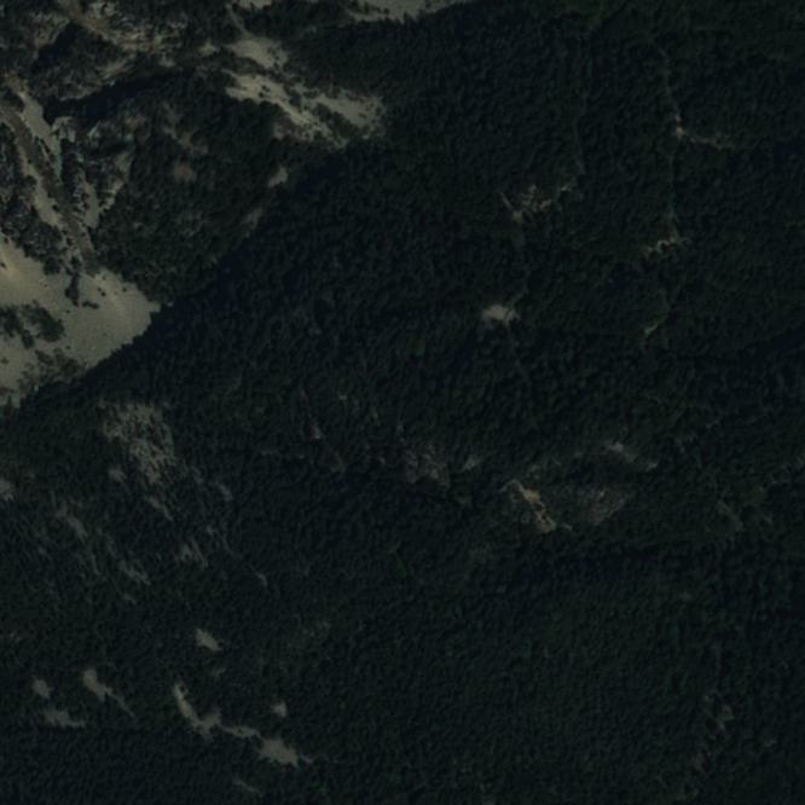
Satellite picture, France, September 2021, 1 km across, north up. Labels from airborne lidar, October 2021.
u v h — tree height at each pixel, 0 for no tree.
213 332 17
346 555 21
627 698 23
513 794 24
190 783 26
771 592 41
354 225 7
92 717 19
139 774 16
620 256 15
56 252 13
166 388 11
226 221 23
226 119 25
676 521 17
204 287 20
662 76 25
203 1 8
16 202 16
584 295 18
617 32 23
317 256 19
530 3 17
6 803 13
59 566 14
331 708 22
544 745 16
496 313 0
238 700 31
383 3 0
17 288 0
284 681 25
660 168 24
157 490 7
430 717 19
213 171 24
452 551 15
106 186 7
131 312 0
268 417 19
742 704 12
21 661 9
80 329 0
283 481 27
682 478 23
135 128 0
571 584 26
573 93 11
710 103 33
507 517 14
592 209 24
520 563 21
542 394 15
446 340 21
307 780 20
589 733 13
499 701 23
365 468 25
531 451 28
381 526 16
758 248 23
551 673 26
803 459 8
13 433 5
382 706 19
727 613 13
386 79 6
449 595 20
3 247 0
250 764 23
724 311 29
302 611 20
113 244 9
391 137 8
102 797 24
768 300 12
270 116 16
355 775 25
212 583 15
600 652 20
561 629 18
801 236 21
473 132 19
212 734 13
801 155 33
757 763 8
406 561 27
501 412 29
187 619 16
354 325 20
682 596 27
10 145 11
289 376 21
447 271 15
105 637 22
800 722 17
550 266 21
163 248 15
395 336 21
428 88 11
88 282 0
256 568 19
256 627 15
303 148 6
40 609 7
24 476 6
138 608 10
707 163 31
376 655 24
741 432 18
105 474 14
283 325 32
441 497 22
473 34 34
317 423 7
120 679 15
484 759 11
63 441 8
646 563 22
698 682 22
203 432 21
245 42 0
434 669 22
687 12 9
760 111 38
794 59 27
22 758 14
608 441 10
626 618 15
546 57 8
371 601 26
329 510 29
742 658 8
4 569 8
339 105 0
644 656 13
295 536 26
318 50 8
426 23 11
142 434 7
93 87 10
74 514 8
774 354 26
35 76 15
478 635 24
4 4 6
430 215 10
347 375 26
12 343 0
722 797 21
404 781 26
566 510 15
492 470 20
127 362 9
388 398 29
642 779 22
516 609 26
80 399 7
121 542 6
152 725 20
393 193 6
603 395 34
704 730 6
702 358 16
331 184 15
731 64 19
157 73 6
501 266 12
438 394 30
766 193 35
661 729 22
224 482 7
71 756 21
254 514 25
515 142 29
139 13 10
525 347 24
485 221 20
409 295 33
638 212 22
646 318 22
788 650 25
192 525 11
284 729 16
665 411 11
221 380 7
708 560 22
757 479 13
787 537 13
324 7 14
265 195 14
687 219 17
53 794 19
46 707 18
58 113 7
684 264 12
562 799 24
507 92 28
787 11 17
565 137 20
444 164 16
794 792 23
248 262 9
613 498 8
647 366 29
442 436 20
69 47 17
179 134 13
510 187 21
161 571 14
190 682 7
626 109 23
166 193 10
